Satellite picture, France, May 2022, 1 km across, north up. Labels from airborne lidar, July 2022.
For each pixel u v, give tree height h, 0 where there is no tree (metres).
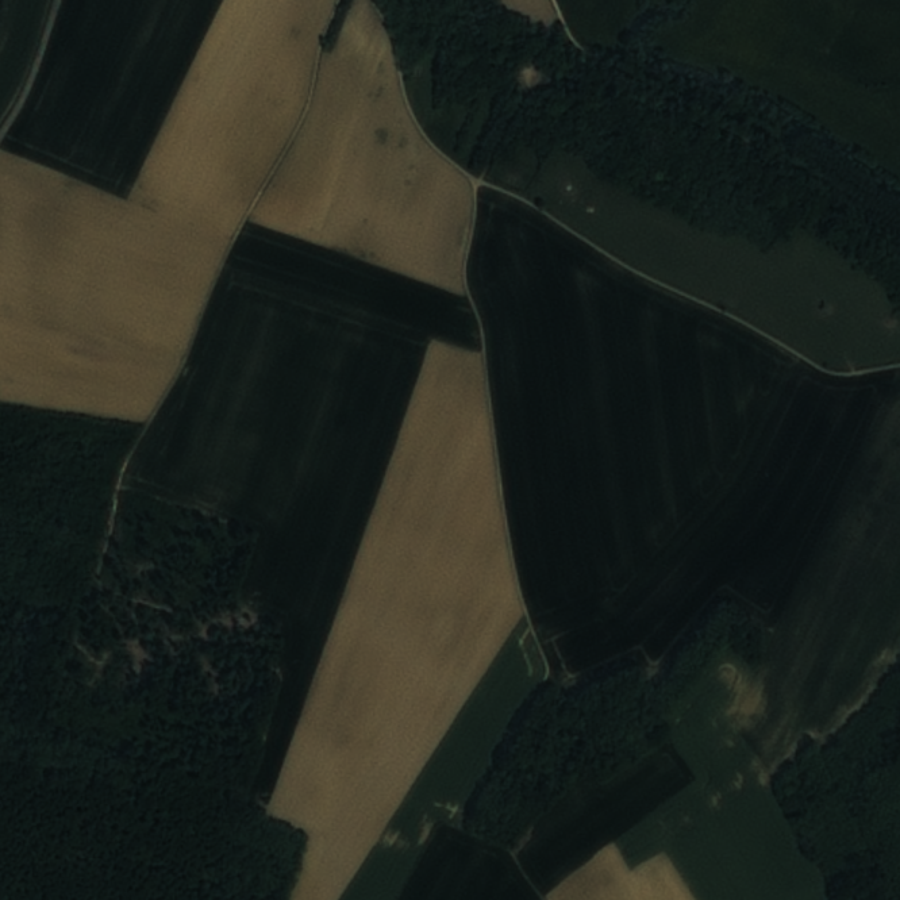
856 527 0
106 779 17
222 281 0
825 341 0
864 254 24
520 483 0
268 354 0
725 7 0
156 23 0
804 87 0
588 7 0
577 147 18
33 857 18
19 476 8
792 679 0
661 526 0
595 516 0
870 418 0
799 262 0
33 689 29
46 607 8
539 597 0
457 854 0
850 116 0
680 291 0
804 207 30
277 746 0
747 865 0
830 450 0
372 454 0
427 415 0
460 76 21
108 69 0
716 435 0
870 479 0
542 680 0
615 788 0
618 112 16
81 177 0
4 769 21
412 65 18
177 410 0
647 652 0
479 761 0
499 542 0
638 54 25
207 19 0
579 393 0
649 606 0
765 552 0
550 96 16
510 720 0
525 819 15
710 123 29
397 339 0
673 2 19
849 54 0
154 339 0
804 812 24
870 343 0
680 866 0
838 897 26
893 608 0
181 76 0
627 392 0
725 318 0
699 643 22
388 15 15
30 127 0
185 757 18
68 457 8
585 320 0
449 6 26
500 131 18
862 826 20
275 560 0
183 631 14
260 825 22
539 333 0
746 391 0
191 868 23
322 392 0
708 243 0
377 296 0
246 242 0
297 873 11
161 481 0
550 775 17
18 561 15
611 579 0
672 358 0
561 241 0
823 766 16
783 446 0
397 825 0
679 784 0
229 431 0
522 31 12
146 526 15
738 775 0
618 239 0
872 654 0
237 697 9
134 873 23
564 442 0
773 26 0
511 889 0
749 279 0
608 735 26
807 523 0
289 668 0
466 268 0
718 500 0
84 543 9
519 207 0
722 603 17
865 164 13
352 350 0
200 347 0
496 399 0
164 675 22
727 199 21
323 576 0
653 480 0
